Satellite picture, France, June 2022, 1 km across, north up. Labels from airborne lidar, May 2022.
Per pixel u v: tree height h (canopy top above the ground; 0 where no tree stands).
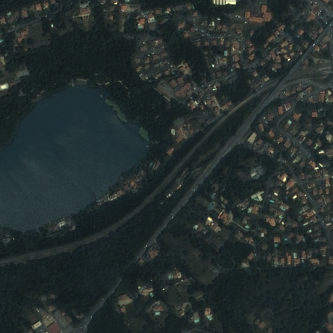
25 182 0
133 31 19
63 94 0
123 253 16
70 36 19
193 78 12
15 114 17
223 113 11
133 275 23
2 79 0
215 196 7
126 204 23
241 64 11
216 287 18
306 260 6
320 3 0
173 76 13
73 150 0
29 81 11
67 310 16
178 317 10
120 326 21
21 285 24
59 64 11
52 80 24
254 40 21
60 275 24
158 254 9
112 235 23
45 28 17
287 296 27
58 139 0
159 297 10
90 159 0
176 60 12
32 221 0
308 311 26
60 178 0
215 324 0
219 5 15
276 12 17
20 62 15
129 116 14
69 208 0
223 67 7
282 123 7
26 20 12
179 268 10
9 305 18
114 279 25
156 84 22
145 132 0
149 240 0
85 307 21
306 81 0
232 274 24
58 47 16
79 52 23
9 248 21
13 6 16
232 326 15
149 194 14
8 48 12
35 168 0
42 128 0
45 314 0
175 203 10
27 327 16
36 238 21
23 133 0
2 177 0
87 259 30
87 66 25
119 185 16
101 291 24
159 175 17
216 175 11
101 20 17
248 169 14
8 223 0
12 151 0
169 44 7
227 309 24
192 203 7
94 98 0
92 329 12
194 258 0
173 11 8
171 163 17
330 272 11
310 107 26
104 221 24
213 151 0
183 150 19
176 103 10
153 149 13
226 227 13
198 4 19
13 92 15
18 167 0
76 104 0
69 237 18
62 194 0
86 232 21
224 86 14
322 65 0
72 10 14
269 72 16
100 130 0
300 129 10
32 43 20
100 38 27
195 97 18
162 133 22
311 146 9
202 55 10
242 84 23
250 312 0
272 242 11
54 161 0
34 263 15
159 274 7
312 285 27
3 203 0
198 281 10
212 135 7
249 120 0
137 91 27
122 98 8
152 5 22
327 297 14
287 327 27
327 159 16
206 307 14
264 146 0
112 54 24
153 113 13
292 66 10
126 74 26
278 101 18
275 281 26
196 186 0
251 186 25
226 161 17
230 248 20
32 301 20
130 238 18
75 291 24
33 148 0
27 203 0
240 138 0
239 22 0
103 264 22
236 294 20
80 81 0
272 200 11
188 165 7
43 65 20
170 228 12
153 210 15
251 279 19
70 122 0
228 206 20
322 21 14
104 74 22
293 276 19
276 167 21
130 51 23
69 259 17
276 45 11
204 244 18
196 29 0
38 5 0
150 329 20
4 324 24
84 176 0
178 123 0
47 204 0
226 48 9
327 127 10
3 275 29
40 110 0
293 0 19
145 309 12
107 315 18
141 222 11
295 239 14
